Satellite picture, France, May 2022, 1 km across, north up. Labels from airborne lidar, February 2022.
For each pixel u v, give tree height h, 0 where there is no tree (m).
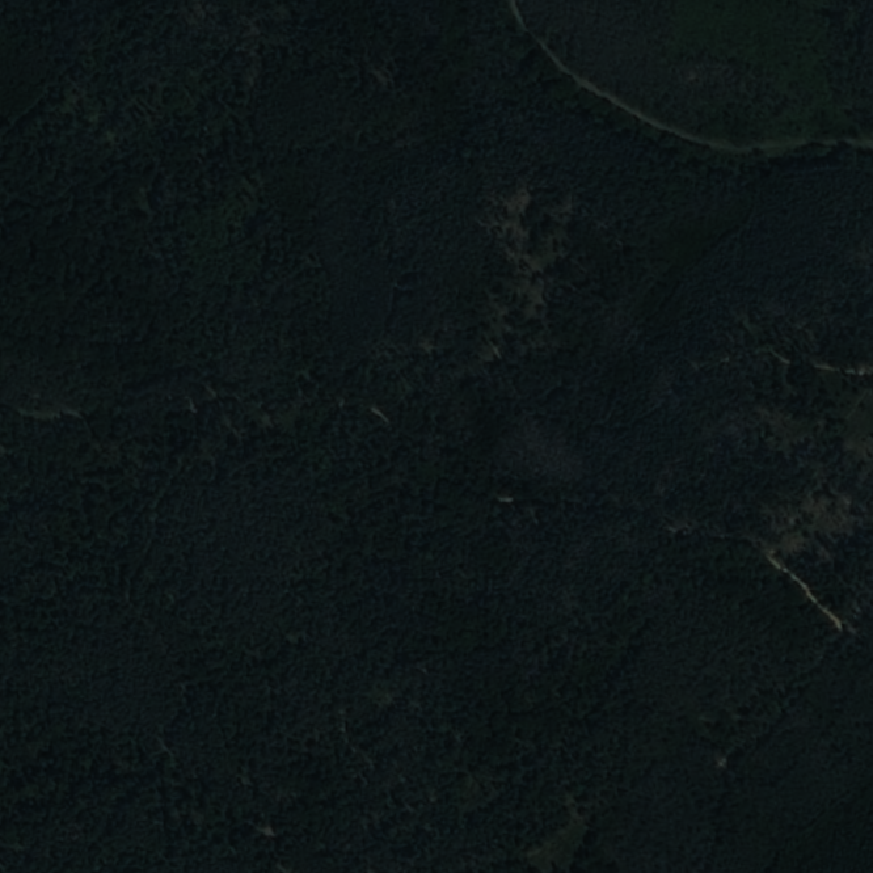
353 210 22
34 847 23
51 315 16
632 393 25
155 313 20
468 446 26
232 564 23
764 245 17
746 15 13
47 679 10
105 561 12
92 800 23
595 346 27
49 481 27
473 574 29
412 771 22
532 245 6
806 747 20
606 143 29
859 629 20
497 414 28
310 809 24
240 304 11
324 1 25
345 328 23
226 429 23
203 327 14
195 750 21
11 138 18
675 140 18
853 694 25
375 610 21
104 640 24
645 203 22
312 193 14
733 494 27
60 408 10
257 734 14
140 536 18
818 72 25
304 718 17
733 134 17
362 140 20
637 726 17
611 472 27
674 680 21
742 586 24
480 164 19
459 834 19
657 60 10
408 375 18
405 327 21
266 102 14
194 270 21
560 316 16
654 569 22
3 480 27
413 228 16
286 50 6
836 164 25
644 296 18
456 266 18
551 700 25
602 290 17
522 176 21
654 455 27
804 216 17
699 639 22
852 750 27
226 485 22
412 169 20
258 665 18
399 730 23
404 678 20
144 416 33
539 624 24
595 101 18
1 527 22
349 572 15
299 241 16
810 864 18
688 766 23
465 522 24
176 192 22
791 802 28
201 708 23
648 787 27
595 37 11
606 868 30
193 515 22
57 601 7
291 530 24
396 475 25
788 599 24
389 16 28
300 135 12
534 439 27
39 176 23
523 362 21
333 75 10
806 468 28
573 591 24
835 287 24
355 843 24
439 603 26
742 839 21
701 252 28
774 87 14
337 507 7
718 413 28
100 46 10
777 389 26
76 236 20
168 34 22
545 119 26
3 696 9
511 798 11
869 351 19
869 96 21
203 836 24
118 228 26
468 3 25
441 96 15
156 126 7
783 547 0
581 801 21
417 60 21
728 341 20
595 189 23
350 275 21
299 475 19
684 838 22
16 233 26
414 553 23
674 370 22
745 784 29
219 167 35
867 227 23
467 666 30
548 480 26
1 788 21
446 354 23
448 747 26
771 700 16
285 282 11
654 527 29
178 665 20
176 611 15
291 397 27
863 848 17
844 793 29
